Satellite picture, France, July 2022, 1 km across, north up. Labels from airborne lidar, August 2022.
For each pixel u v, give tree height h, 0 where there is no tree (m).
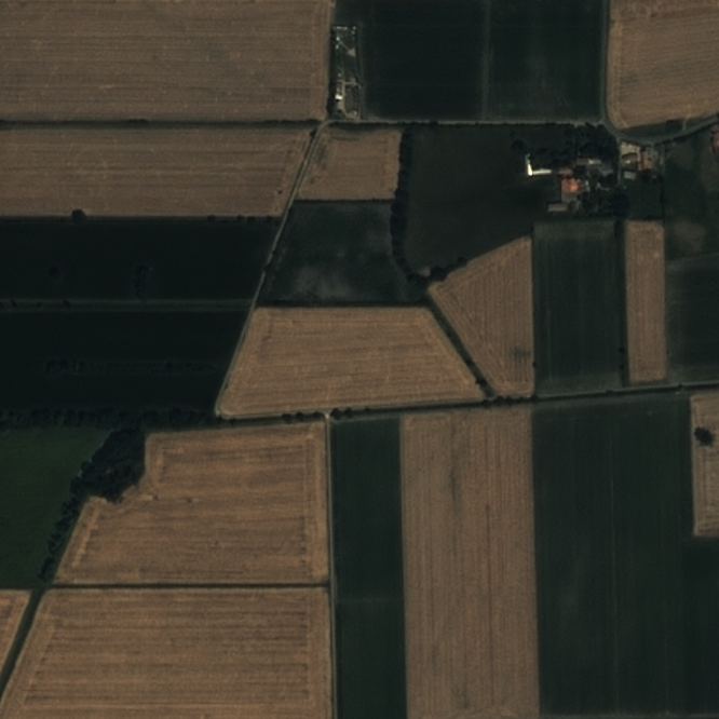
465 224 0
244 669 0
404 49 0
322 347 0
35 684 0
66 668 0
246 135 0
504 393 0
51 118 0
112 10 0
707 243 0
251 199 0
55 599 0
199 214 0
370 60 0
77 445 0
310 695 0
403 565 0
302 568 0
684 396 0
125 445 23
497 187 0
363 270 0
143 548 0
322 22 0
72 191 0
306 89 0
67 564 0
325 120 0
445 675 0
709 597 0
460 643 0
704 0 0
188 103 0
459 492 0
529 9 0
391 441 0
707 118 0
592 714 0
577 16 0
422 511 0
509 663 0
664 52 0
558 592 0
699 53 0
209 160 0
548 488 0
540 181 0
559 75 0
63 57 0
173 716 0
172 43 0
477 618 0
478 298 0
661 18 0
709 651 0
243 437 0
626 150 0
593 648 0
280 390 0
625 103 0
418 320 0
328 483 0
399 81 0
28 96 0
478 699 0
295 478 0
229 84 0
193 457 0
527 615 0
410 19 0
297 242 0
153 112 0
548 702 0
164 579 0
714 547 0
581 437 0
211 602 0
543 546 0
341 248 0
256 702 0
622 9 0
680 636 0
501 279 0
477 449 0
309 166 0
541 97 0
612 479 0
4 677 0
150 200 0
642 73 0
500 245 0
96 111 0
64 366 15
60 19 0
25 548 0
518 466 0
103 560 0
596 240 0
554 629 0
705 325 0
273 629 0
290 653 0
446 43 0
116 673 0
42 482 0
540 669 0
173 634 0
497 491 0
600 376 0
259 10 0
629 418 0
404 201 13
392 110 0
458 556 0
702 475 0
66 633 0
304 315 0
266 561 0
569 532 0
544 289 0
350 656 0
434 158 0
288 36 0
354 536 0
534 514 0
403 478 0
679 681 0
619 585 0
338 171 0
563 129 6
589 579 0
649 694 0
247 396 0
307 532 0
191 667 0
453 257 0
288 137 0
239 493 0
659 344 0
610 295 0
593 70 0
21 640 0
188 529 0
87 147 0
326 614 0
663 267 0
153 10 0
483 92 0
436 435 0
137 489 0
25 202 0
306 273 0
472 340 0
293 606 0
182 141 0
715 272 0
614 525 0
